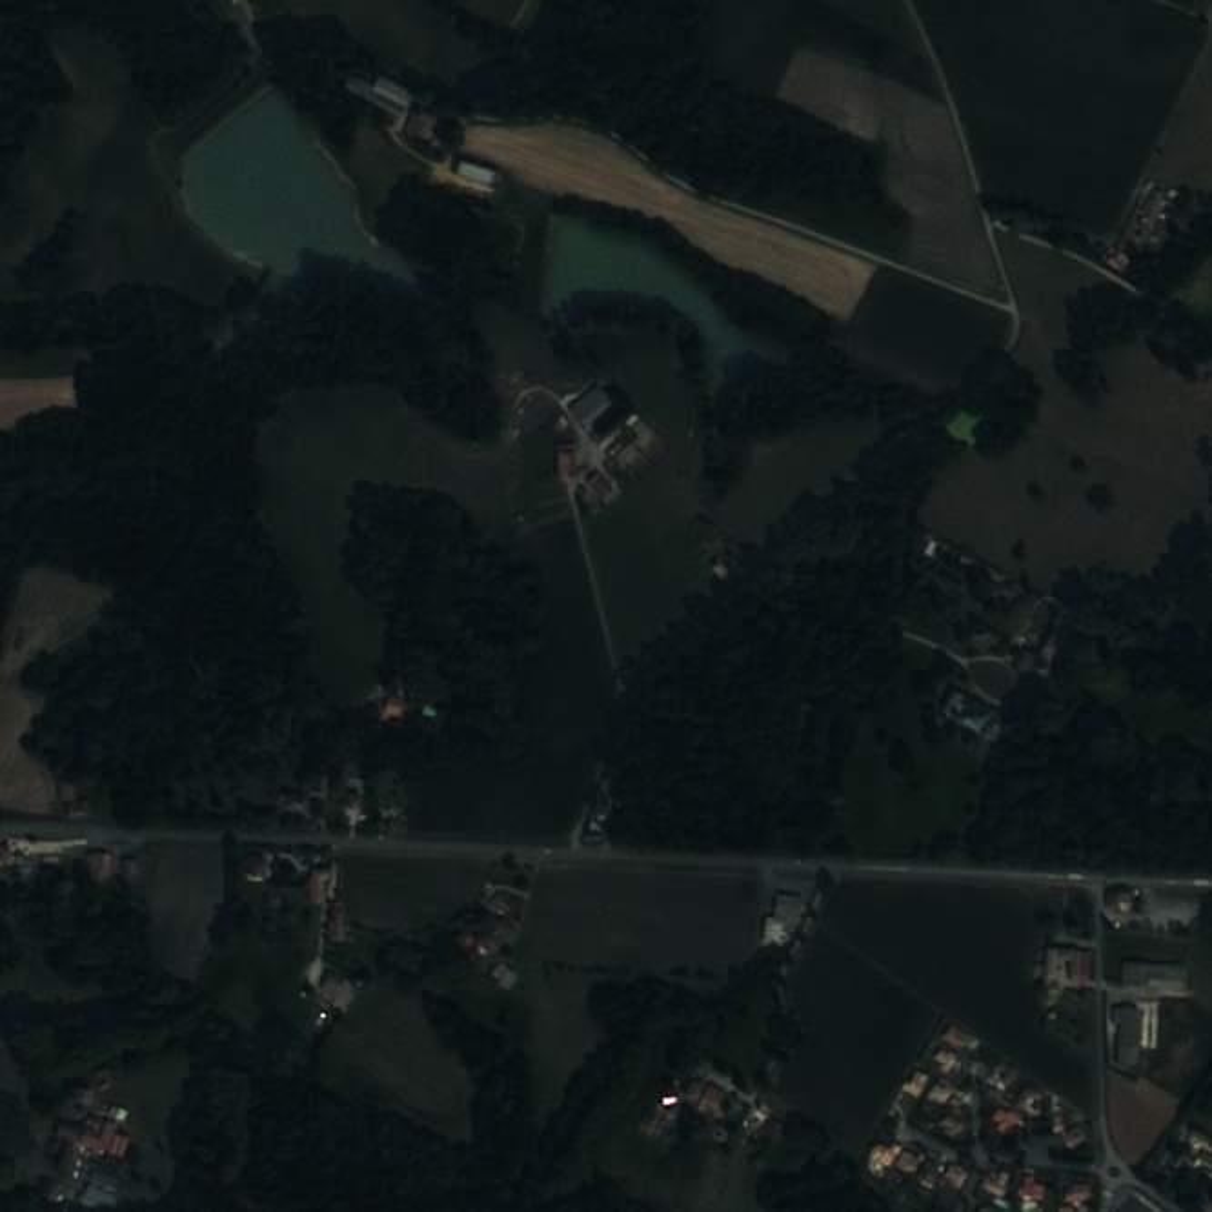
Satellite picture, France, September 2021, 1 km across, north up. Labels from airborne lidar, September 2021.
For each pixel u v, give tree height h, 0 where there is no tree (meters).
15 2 19
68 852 0
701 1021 26
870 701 25
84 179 0
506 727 24
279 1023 0
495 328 0
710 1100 0
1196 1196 13
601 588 0
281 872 8
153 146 0
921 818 0
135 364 24
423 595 29
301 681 27
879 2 0
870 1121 0
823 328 11
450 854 0
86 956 24
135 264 0
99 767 24
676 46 26
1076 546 0
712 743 22
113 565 15
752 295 19
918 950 0
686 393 0
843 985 0
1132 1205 0
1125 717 0
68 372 0
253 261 0
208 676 17
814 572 24
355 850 0
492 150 0
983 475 0
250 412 9
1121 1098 0
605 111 20
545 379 0
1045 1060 0
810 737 23
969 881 0
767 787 27
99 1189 0
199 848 0
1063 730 25
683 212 0
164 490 10
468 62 0
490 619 28
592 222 13
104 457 11
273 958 0
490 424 23
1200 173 0
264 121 0
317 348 21
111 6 20
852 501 16
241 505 13
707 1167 0
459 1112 0
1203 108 0
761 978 13
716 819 7
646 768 21
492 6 0
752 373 19
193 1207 14
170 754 26
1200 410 0
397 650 22
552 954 0
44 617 0
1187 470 0
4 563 23
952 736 12
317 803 10
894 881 0
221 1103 39
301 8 0
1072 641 29
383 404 0
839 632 29
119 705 24
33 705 0
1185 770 31
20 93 25
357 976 7
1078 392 12
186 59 21
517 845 0
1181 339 28
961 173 0
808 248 0
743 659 17
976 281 0
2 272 0
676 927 0
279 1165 26
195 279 0
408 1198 22
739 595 26
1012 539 0
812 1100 0
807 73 0
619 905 0
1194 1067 0
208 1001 14
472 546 7
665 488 0
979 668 0
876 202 16
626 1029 15
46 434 18
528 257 0
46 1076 28
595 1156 0
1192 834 25
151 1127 0
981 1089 8
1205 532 20
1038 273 0
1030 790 8
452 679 28
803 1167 0
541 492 0
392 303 23
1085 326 21
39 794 0
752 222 0
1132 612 23
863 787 0
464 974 31
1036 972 0
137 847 0
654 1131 0
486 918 12
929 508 0
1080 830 20
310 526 0
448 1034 14
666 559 0
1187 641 22
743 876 0
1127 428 0
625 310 15
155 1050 8
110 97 0
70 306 12
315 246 0
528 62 19
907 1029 0
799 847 21
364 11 0
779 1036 22
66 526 15
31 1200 21
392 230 19
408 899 0
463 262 25
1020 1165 9
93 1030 31
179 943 0
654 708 24
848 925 0
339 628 0
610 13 19
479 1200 28
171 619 25
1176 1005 0
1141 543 0
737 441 20
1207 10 0
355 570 22
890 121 0
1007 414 19
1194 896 0
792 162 27
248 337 14
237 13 0
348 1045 0
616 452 0
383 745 21
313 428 0
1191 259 17
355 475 0
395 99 0
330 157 0
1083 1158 7
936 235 0
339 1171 27
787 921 0
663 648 14
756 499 0
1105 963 0
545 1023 0
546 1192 27
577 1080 12
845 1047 0
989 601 16
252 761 11
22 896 11
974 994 0
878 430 0
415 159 0
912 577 21
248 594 28
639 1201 0
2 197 16
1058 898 0
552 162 0
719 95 11
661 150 28
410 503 16
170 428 11
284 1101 26
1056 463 0
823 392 16
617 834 14
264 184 0
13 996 0
